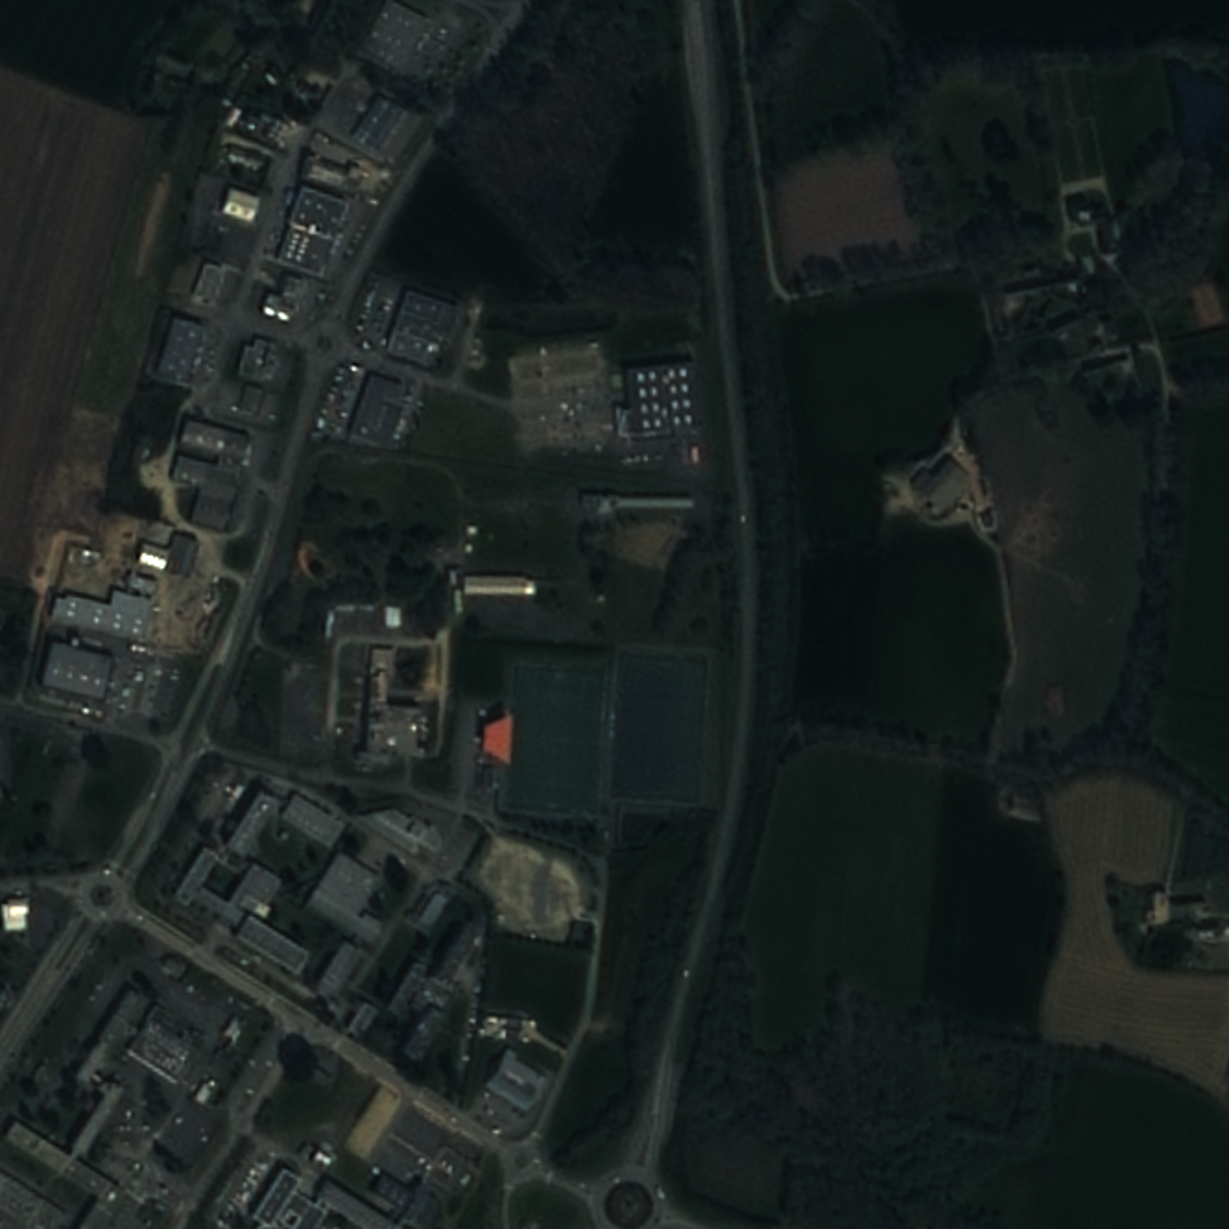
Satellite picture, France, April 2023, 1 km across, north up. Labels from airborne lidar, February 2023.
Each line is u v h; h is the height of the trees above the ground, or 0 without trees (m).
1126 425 13
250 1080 0
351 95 0
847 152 21
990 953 0
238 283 0
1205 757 0
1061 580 0
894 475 10
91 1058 0
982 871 0
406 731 0
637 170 0
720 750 0
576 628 0
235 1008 0
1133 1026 0
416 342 0
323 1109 0
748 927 0
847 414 0
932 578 0
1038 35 0
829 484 0
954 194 0
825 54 0
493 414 0
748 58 10
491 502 0
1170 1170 0
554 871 0
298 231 0
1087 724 0
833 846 0
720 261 0
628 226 0
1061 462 0
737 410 0
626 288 18
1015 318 9
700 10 0
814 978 0
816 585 0
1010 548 0
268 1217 0
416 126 0
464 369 0
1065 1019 0
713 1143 0
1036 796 15
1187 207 21
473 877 0
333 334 0
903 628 0
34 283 0
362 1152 0
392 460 0
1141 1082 0
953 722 0
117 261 0
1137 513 0
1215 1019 0
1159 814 0
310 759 0
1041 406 14
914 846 0
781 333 0
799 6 25
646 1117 0
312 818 0
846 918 0
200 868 0
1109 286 21
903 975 0
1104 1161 0
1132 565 0
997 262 22
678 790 0
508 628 0
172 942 0
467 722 0
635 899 0
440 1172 0
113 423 0
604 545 0
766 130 7
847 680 0
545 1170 0
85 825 0
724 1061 11
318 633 11
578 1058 0
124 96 0
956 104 0
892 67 25
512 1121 0
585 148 17
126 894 0
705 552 12
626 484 0
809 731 15
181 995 0
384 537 8
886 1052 18
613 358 0
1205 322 0
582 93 18
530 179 18
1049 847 0
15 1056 0
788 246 0
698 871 10
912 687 0
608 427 0
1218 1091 0
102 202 0
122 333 0
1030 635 0
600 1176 0
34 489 0
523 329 0
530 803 0
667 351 0
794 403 0
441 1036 0
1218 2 0
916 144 20
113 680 0
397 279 0
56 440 0
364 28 7
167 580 0
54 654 0
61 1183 0
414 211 0
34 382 0
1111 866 0
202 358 0
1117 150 0
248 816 0
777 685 7
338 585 12
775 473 6
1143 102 0
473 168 17
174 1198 0
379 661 0
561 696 0
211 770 10
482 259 0
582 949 7
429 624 14
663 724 0
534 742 0
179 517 0
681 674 0
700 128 0
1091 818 0
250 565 0
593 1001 0
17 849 0
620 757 0
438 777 0
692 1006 0
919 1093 18
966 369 0
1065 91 0
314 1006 8
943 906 0
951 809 0
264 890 0
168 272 0
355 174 0
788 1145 13
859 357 0
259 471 0
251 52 8
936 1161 8
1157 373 0
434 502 0
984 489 0
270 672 0
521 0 0
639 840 0
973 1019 0
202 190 0
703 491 0
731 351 0
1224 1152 0
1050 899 0
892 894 0
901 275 19
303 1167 0
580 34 11
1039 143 24
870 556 0
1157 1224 0
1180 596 0
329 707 0
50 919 0
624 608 0
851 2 18
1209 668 0
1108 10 0
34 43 0
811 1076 17
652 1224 0
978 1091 0
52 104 0
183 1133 0
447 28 0
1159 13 0
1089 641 0
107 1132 0
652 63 15
